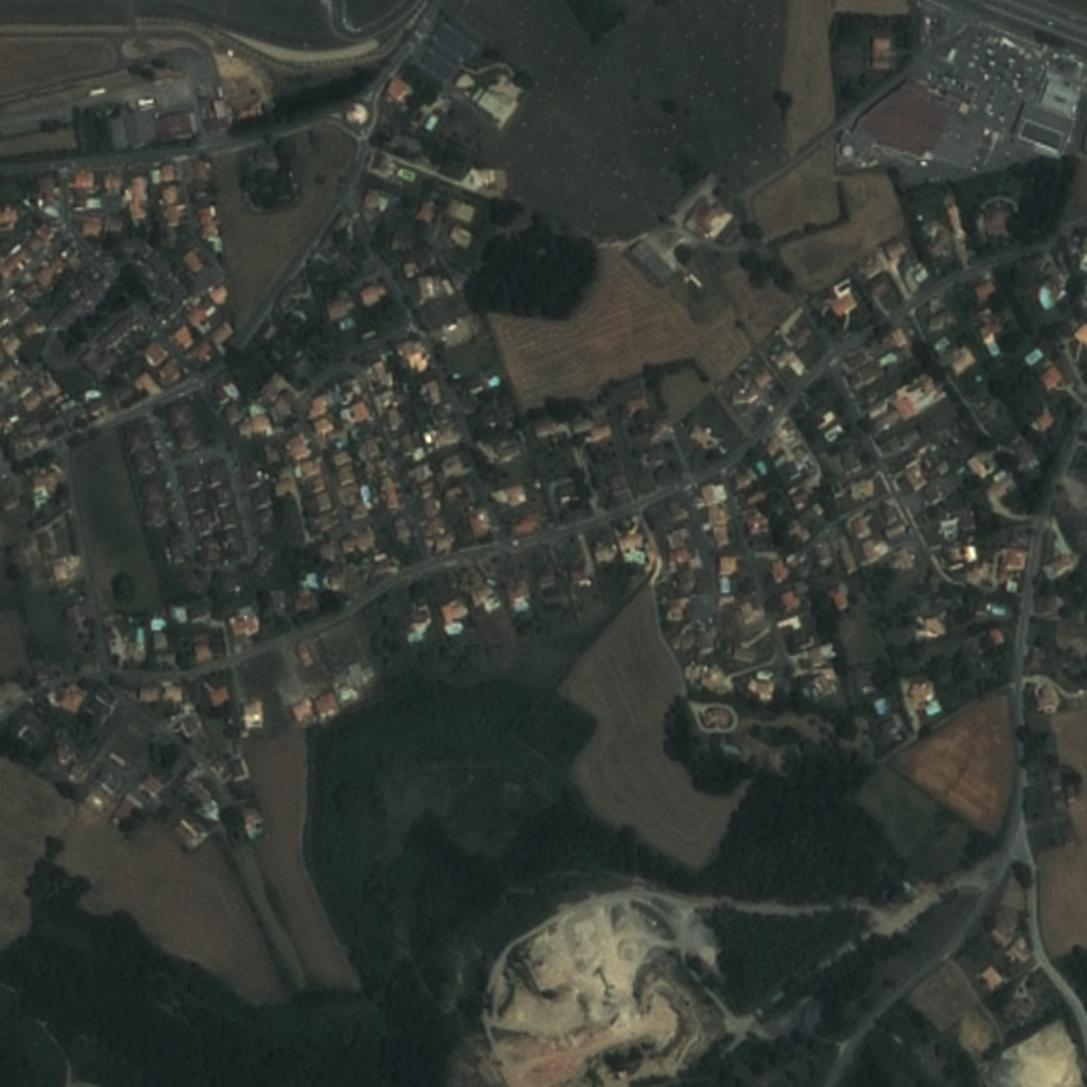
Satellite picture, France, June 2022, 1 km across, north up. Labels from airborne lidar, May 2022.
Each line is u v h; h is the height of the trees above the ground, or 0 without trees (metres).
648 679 0
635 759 0
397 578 0
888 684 12
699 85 0
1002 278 6
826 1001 12
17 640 0
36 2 0
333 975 0
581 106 0
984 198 7
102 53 0
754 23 0
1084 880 0
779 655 0
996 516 11
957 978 0
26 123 0
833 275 0
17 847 0
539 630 7
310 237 0
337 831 6
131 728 0
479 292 19
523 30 0
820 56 0
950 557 0
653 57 0
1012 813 0
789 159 0
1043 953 0
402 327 0
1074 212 0
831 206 0
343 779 7
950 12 0
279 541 0
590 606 0
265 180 16
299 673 0
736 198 0
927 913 9
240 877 0
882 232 0
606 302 0
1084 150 0
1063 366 0
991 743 0
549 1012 0
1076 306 7
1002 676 8
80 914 12
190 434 0
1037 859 0
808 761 15
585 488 14
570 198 0
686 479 0
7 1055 10
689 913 0
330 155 0
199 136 8
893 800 0
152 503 0
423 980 7
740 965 16
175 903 0
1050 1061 0
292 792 0
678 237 0
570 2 6
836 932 7
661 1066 0
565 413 17
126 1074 6
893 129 0
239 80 0
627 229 0
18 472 13
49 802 0
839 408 6
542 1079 0
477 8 0
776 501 9
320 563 10
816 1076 12
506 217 19
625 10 6
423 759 6
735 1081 10
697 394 0
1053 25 0
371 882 6
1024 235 18
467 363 0
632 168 0
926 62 0
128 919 15
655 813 0
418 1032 14
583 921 0
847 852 11
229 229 0
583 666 0
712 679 0
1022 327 6
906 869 8
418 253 8
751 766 9
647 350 0
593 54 0
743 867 14
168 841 0
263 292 0
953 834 0
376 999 18
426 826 7
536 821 10
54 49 0
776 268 15
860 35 0
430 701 8
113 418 0
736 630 0
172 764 9
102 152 6
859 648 0
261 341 7
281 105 10
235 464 0
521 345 0
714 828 0
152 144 9
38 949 12
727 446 0
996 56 0
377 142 8
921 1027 11
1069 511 0
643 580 0
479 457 10
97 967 10
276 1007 6
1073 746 0
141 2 0
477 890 11
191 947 0
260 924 7
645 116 0
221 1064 15
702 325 0
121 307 12
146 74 11
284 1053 15
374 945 5
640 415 11
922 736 10
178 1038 13
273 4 0
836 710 8
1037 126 0
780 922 11
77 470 0
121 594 22
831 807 15
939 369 18
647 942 0
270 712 0
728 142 0
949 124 0
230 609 0
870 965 14
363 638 0
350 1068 12
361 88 9
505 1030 0
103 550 0
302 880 0
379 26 0
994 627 8
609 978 0
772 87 0
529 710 6
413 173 0
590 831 11
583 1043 0
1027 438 14
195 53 0
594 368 0
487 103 0
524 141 0
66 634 0
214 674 7
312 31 0
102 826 0
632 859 10
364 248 7
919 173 0
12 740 7
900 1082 0
